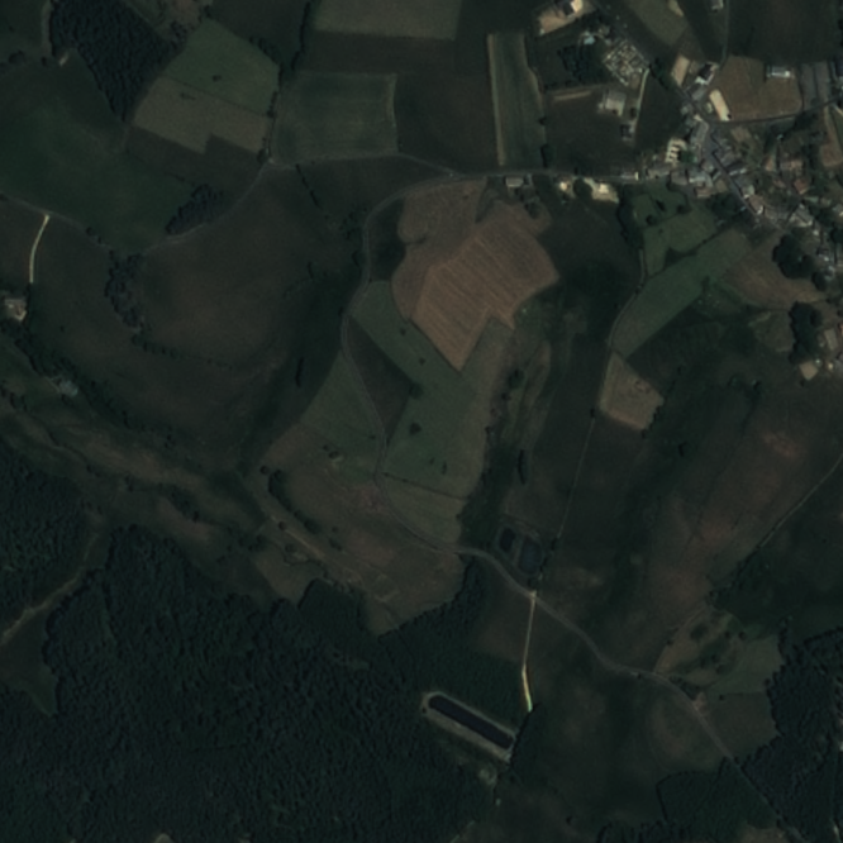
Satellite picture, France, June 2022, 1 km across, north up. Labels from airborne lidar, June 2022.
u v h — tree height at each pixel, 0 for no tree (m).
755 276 0
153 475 0
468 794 24
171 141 0
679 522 0
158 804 19
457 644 18
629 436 0
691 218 0
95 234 12
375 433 0
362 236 12
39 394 0
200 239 0
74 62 0
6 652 0
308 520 12
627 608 0
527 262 0
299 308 0
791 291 0
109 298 11
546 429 0
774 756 24
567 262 0
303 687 28
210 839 20
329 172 0
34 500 26
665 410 14
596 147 0
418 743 24
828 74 0
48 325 0
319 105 0
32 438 0
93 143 0
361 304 0
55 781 25
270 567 0
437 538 0
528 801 0
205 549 0
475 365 0
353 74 0
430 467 0
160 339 0
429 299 0
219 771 23
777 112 0
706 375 0
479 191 0
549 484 0
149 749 24
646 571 0
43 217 0
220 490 0
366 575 0
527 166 0
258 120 0
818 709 24
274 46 16
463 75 0
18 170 0
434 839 21
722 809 18
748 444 0
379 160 0
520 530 0
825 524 0
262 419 0
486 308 0
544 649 0
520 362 0
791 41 0
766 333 0
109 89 17
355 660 15
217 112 0
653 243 0
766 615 0
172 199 0
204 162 0
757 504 0
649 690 0
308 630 33
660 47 0
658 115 0
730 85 0
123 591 17
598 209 0
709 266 0
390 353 0
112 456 0
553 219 0
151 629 13
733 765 16
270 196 0
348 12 0
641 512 0
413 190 0
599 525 0
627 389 0
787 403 0
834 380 0
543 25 0
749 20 0
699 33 0
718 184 0
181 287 0
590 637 0
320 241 0
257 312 0
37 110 0
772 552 0
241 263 0
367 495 0
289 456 0
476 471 0
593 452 0
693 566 0
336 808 18
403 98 0
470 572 19
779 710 22
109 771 27
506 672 16
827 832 16
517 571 0
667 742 0
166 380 0
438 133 0
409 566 0
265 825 13
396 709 24
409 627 17
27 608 20
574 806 0
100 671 24
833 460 0
